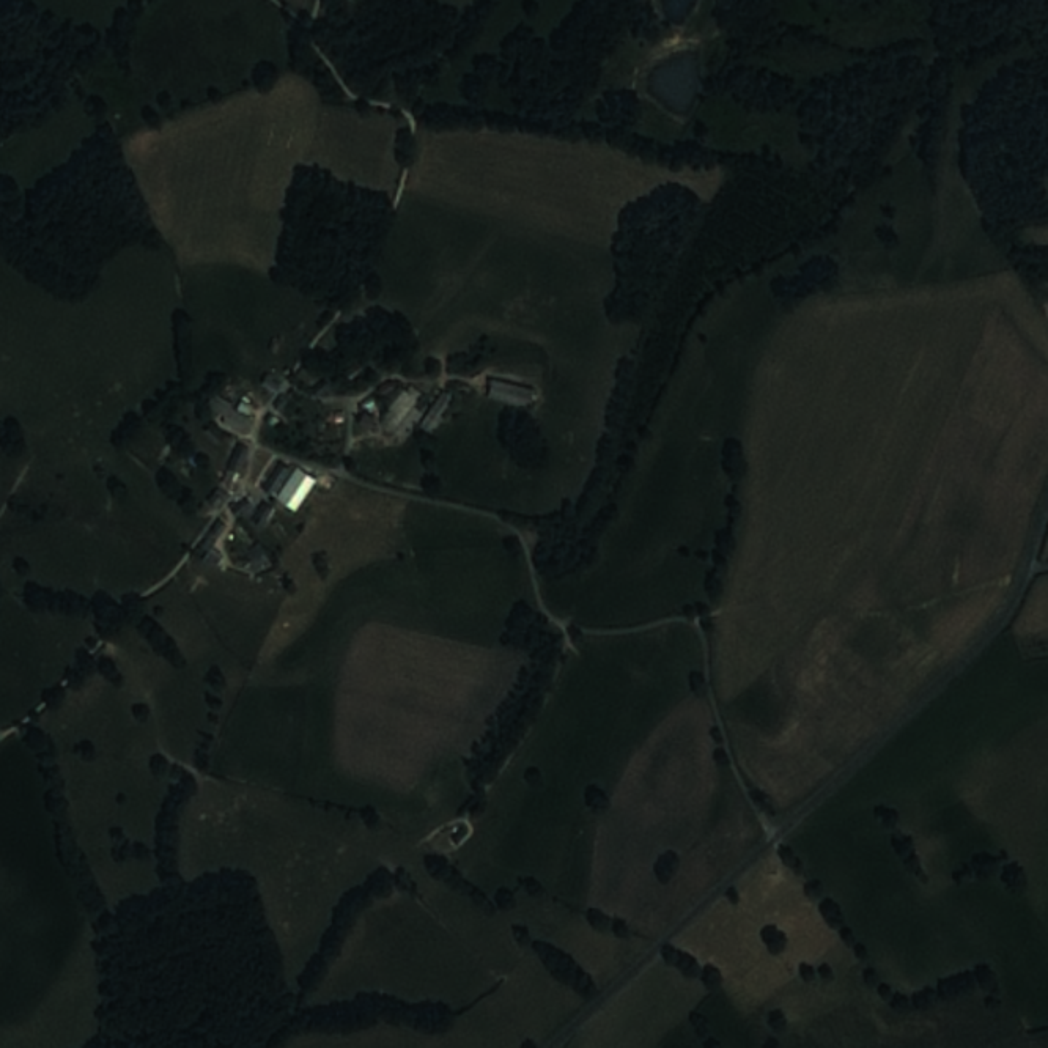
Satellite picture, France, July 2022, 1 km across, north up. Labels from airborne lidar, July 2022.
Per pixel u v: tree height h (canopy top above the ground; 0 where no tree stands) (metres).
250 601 0
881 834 0
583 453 0
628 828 0
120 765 0
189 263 0
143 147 0
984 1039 0
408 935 0
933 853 0
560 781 0
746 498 0
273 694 0
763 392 0
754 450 0
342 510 0
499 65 16
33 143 0
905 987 0
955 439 0
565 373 0
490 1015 0
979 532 0
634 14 15
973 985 20
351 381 6
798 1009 0
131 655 0
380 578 0
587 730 0
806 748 0
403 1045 0
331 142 0
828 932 0
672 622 0
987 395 0
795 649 0
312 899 0
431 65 9
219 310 0
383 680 0
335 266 24
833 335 0
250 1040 19
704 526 0
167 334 0
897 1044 0
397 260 0
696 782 0
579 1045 0
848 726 0
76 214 22
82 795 0
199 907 19
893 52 8
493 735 11
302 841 0
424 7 16
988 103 17
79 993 0
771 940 22
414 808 0
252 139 0
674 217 21
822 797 0
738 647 0
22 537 0
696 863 0
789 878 0
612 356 0
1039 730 0
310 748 0
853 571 0
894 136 25
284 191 0
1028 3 23
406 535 0
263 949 21
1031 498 0
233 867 0
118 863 9
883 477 0
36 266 23
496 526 0
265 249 0
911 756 0
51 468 0
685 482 0
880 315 0
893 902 0
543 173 0
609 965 0
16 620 0
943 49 22
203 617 0
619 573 0
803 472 0
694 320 7
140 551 0
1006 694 0
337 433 0
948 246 0
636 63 0
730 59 6
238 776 0
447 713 0
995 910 0
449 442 0
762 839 0
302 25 22
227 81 0
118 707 0
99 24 0
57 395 0
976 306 0
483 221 0
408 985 0
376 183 0
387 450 0
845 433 0
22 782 0
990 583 0
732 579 0
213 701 16
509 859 0
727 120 0
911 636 0
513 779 0
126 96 0
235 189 0
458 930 0
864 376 0
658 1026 0
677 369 7
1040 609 0
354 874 0
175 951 15
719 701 0
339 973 0
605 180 0
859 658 0
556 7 0
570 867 0
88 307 0
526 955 0
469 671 0
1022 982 0
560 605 0
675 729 0
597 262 0
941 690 0
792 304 20
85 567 0
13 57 10
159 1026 21
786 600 0
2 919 0
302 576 0
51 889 0
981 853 0
